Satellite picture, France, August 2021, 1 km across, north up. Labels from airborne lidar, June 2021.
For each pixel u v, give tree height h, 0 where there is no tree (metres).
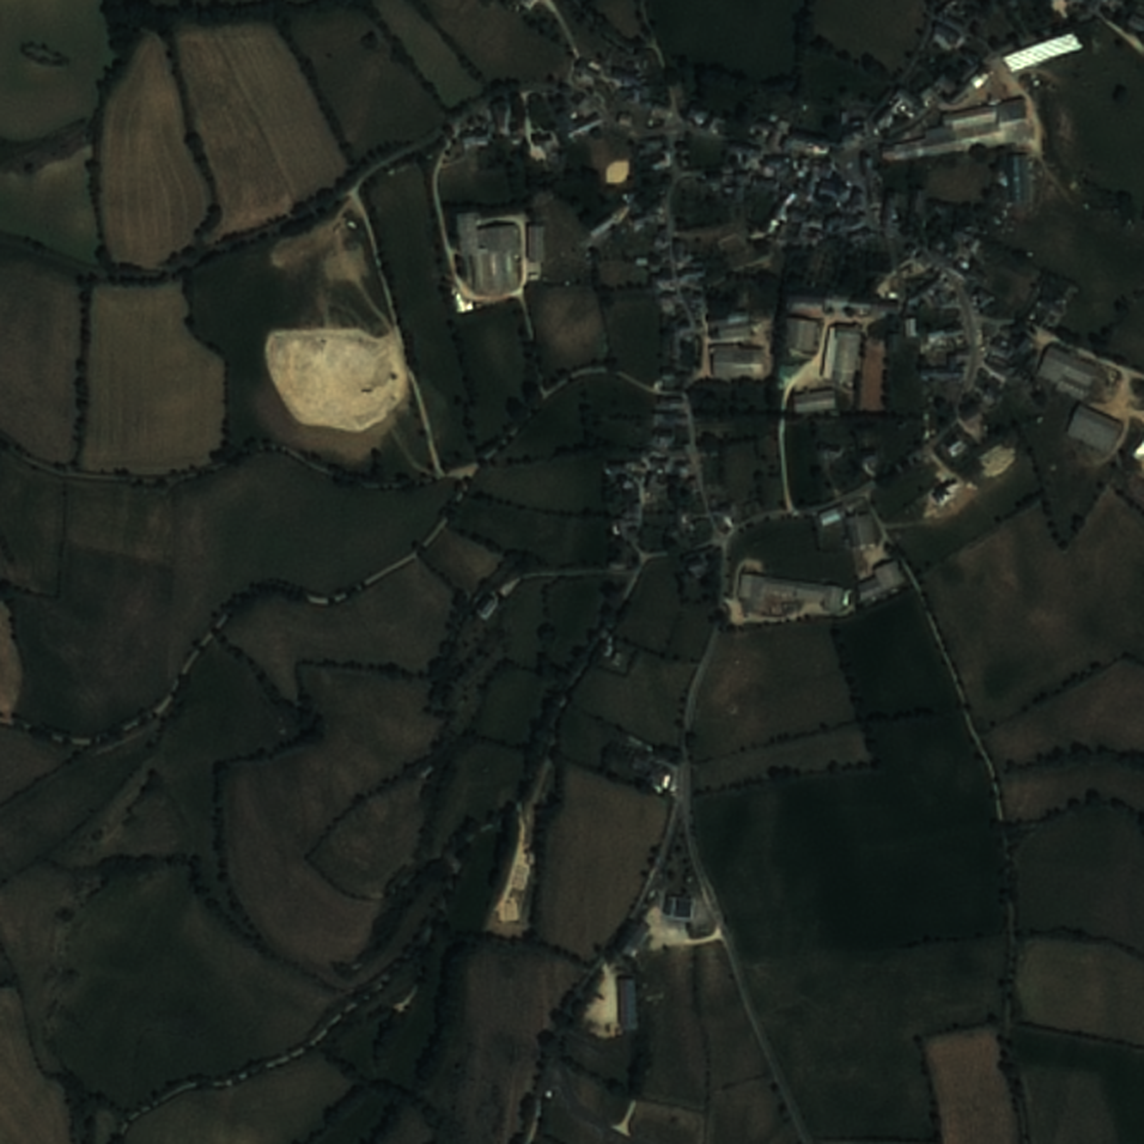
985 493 0
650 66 0
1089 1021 0
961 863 0
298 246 0
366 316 0
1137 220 0
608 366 10
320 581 0
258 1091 0
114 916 0
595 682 0
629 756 6
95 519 0
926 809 0
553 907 0
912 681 0
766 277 11
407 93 0
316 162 0
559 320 0
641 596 0
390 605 0
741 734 0
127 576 0
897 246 0
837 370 0
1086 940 10
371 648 0
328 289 0
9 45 0
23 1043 0
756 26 0
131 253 0
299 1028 0
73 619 0
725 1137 0
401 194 0
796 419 8
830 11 0
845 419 7
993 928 0
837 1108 0
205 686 0
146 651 0
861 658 0
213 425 0
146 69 0
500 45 0
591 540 0
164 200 0
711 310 8
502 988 0
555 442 0
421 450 0
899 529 0
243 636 0
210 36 0
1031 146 0
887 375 6
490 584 9
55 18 0
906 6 0
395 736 0
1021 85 0
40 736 11
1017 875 7
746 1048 0
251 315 0
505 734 0
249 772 0
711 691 0
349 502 0
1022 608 0
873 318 0
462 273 8
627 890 0
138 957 0
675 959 0
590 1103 0
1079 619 0
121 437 0
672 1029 0
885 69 13
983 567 0
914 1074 0
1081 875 0
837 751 0
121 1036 0
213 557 0
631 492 10
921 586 7
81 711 0
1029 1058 0
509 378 0
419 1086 13
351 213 0
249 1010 0
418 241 0
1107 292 0
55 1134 0
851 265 10
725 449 9
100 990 0
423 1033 0
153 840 0
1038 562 0
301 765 0
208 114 0
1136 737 0
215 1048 0
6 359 0
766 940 0
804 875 0
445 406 0
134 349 0
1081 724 0
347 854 0
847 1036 0
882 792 0
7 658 0
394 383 0
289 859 0
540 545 0
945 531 0
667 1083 0
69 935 0
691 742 9
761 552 0
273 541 0
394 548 0
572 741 0
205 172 6
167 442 0
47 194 0
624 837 0
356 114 0
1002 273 0
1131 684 0
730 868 0
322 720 12
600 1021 0
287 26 11
